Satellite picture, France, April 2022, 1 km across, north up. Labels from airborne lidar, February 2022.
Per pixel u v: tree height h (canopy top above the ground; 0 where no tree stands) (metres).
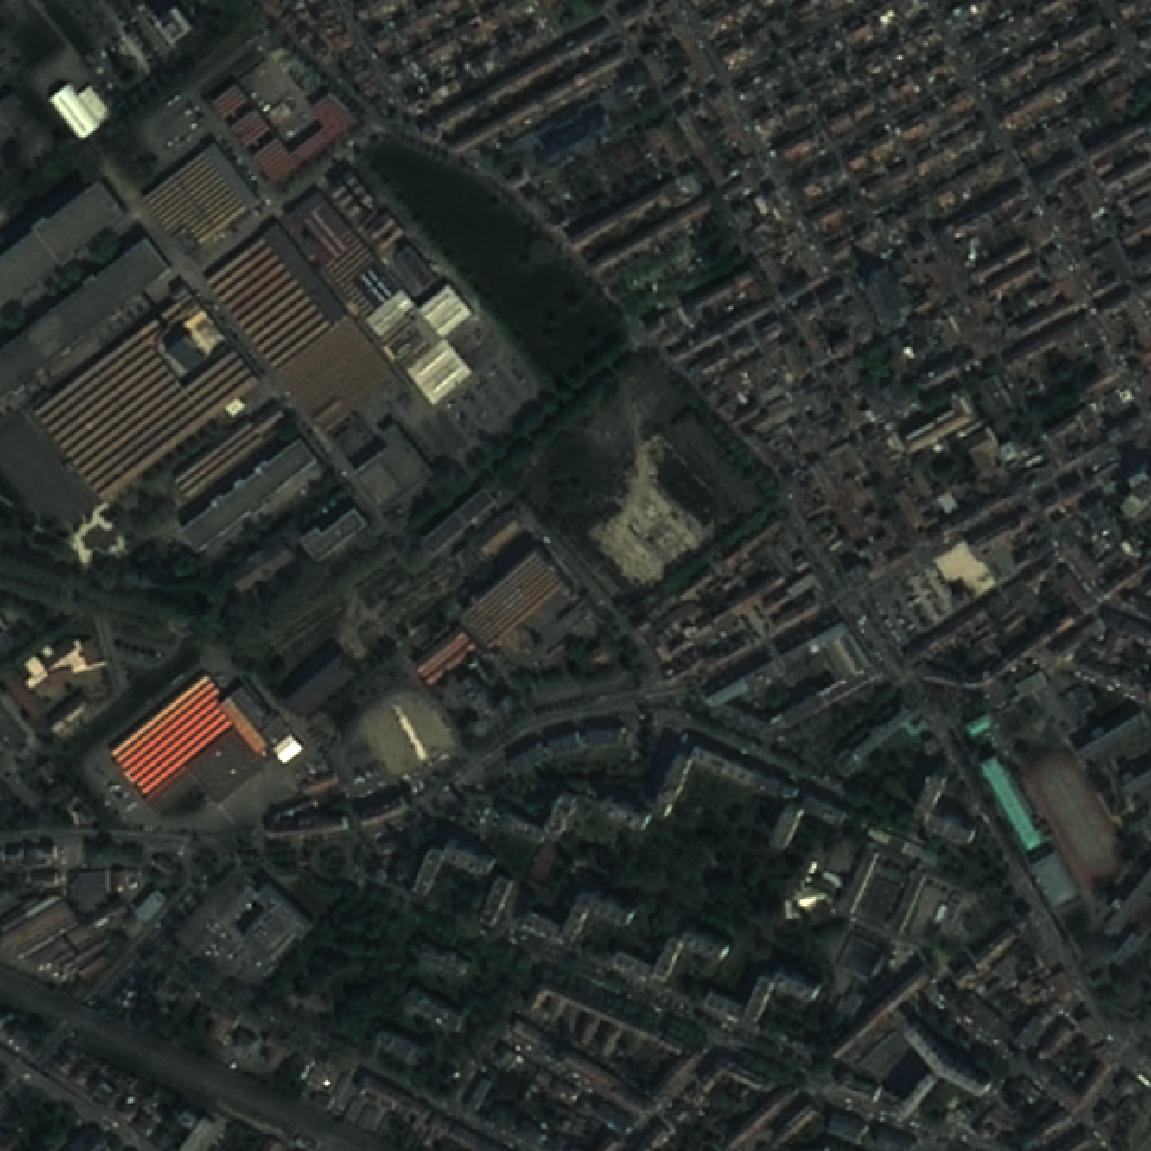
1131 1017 0
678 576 14
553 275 0
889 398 0
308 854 9
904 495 0
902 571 0
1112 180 0
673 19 0
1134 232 0
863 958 0
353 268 0
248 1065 0
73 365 0
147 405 0
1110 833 0
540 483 0
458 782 0
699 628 0
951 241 0
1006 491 0
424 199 0
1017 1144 11
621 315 13
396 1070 15
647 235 0
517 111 0
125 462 0
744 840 10
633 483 0
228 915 0
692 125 0
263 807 0
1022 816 0
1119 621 0
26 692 0
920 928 0
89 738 0
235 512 0
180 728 0
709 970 0
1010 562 0
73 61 0
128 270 0
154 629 18
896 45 0
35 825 16
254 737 0
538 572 0
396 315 0
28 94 0
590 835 0
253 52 0
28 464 0
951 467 16
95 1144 0
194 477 0
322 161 13
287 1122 0
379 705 0
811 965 10
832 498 0
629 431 0
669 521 0
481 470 12
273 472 0
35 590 21
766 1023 9
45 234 0
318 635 0
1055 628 0
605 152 10
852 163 0
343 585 25
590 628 0
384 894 12
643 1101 0
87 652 0
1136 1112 0
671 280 9
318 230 0
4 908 0
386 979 18
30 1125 0
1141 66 0
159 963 15
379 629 0
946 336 0
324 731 0
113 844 15
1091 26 0
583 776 10
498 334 0
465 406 0
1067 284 0
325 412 0
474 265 0
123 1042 0
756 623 0
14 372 0
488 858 0
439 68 0
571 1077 0
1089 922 0
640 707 0
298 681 7
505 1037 0
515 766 0
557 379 0
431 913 15
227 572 15
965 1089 9
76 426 0
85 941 0
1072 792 0
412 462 0
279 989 9
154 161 12
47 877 0
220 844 0
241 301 0
